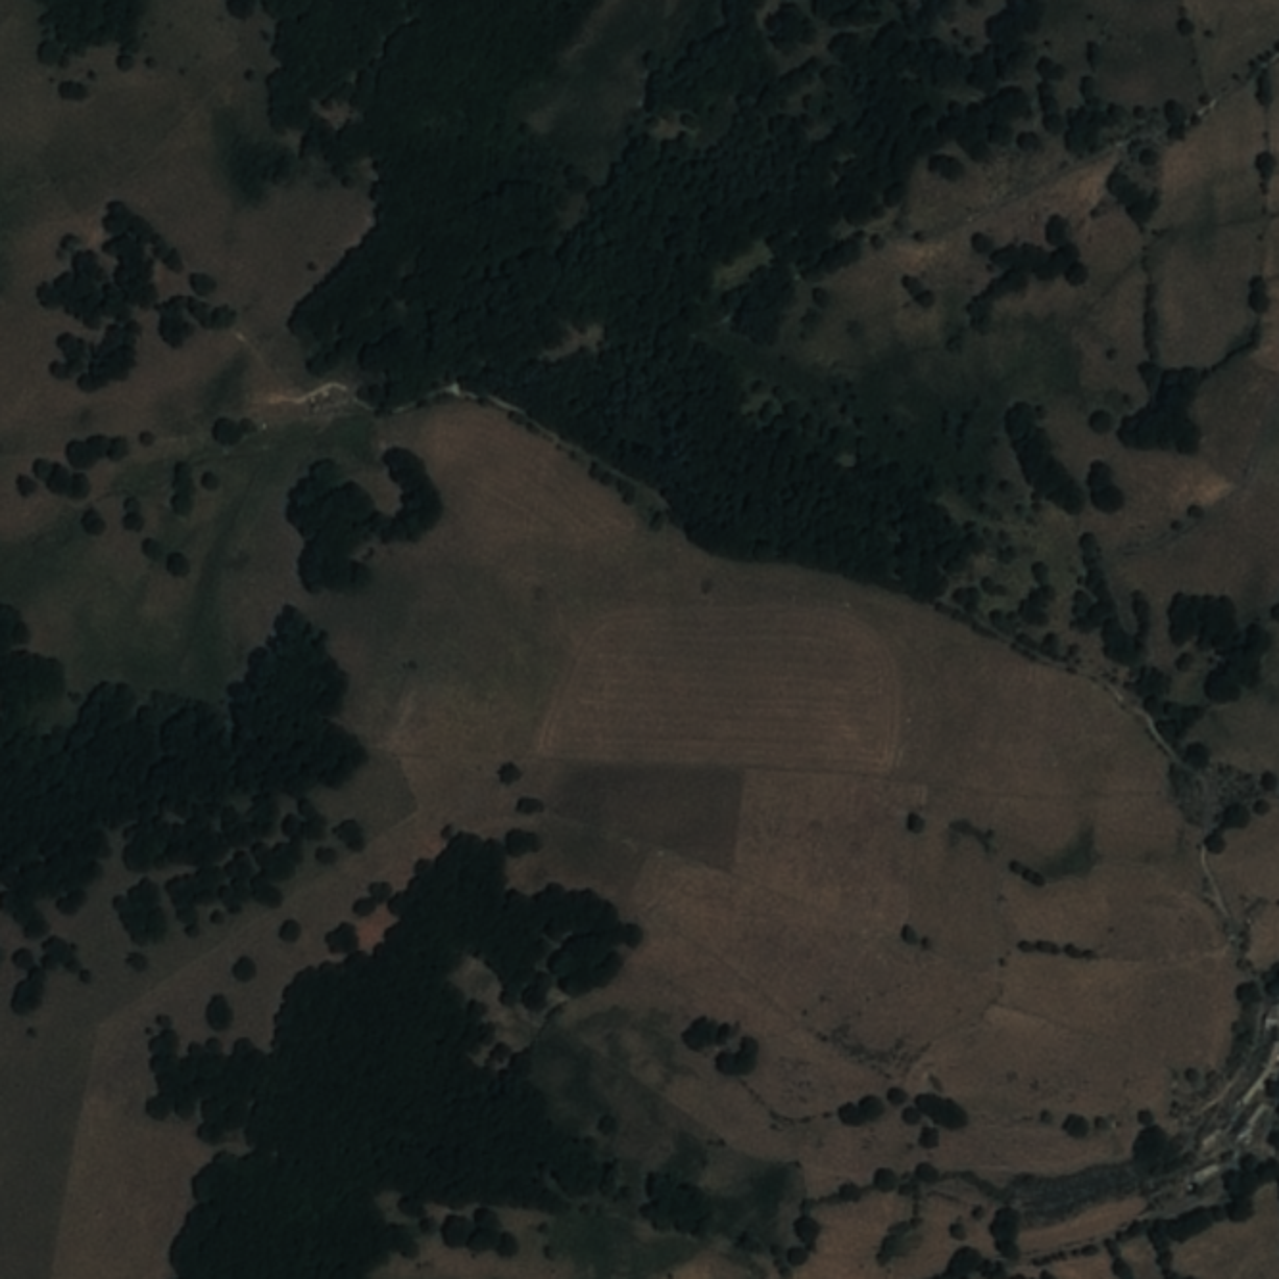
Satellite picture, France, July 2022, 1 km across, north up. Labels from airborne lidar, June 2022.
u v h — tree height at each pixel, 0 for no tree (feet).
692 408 55
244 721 67
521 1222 0
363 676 0
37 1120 0
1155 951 0
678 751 0
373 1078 67
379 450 0
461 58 37
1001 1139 0
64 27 37
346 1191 56
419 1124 71
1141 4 0
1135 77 0
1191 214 0
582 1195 56
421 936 51
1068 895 0
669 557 0
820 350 0
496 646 0
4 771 49
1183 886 0
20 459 0
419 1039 72
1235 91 0
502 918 73
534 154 39
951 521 58
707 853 0
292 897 0
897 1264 0
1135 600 23
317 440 0
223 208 0
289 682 69
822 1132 0
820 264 31
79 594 0
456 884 52
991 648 0
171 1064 34
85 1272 0
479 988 0
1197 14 0
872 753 0
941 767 0
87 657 0
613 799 0
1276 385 0
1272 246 0
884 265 0
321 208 0
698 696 0
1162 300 0
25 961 37
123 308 41
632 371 59
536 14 52
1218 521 0
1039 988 0
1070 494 58
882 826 0
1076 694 0
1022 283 49
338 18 41
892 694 0
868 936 0
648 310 54
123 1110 0
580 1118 0
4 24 0
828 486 42
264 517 0
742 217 46
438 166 47
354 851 20
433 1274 0
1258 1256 0
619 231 56
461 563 0
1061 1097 0
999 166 0
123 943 0
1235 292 0
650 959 0
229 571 0
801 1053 0
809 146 30
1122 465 0
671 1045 0
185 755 51
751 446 62
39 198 0
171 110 0
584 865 0
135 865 41
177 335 43
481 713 0
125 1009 0
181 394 0
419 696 0
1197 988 0
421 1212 29
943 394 0
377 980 54
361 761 29
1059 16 0
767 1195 0
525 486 0
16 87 0
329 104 27
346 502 54
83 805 66
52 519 0
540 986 60
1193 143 0
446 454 0
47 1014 0
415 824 0
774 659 0
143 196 0
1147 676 32
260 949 0
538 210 64
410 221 42
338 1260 74
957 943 0
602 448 60
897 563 57
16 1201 0
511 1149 85
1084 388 0
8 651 50
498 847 50
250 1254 53
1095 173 0
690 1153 0
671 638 0
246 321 0
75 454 45
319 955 0
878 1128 0
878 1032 0
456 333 49
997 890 0
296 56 45
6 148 0
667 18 0
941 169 58
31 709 30
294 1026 37
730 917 0
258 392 0
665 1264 0
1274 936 0
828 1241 0
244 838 35
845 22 44
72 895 26
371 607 0
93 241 0
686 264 64
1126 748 0
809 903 0
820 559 60
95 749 47
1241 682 47
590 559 0
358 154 47
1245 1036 22
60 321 0
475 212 57
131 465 0
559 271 46
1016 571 0
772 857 0
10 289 0
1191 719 42
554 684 0
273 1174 43
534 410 50
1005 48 49
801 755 0
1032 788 0
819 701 0
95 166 0
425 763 0
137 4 36
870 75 43
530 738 0
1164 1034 0
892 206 21
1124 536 0
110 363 43
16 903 34
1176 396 72
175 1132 0
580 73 0
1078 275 59
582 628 0
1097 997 0
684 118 27
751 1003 0
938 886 0
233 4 35
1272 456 0
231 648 0
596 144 0
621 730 0
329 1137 50
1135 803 0
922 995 0
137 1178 0
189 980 0
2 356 0
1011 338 0
